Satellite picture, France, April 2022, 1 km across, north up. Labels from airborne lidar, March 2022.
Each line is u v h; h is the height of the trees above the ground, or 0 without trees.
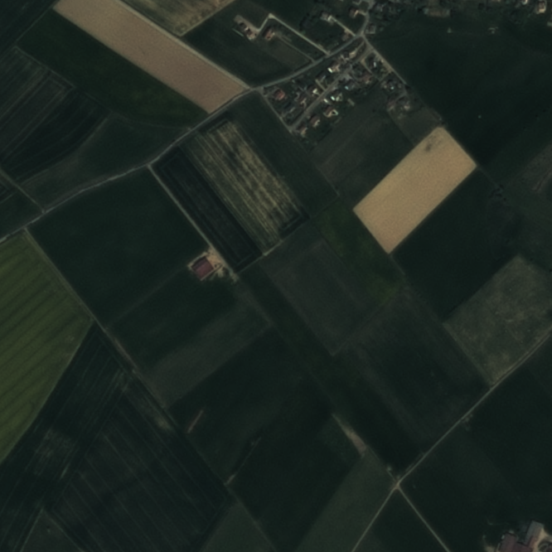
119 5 0
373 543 0
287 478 0
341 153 0
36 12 0
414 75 0
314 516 0
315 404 0
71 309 0
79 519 0
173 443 0
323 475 0
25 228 0
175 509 0
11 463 0
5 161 0
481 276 0
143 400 0
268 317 0
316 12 0
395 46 0
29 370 0
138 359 0
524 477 0
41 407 0
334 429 0
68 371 0
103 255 0
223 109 0
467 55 0
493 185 0
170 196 0
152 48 0
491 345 0
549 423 0
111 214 0
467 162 0
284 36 0
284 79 0
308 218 0
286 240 0
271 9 0
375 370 0
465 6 0
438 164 0
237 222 0
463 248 0
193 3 0
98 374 0
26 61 0
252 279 0
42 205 0
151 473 0
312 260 0
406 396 0
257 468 0
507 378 0
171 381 0
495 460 0
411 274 0
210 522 0
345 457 0
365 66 0
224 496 0
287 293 0
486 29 0
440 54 0
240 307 0
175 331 0
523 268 0
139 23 0
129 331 0
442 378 0
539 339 0
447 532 0
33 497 0
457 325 0
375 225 0
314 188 0
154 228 0
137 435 0
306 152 0
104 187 0
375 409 0
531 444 0
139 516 0
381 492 0
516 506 0
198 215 0
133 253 0
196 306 0
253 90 0
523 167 0
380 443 0
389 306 0
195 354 0
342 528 0
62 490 0
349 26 0
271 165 0
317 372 0
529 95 0
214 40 0
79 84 0
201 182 0
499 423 0
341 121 0
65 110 0
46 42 0
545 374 0
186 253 0
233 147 0
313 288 0
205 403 0
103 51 0
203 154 0
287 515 0
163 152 0
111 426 0
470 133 0
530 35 0
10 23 0
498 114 0
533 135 0
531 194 0
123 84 0
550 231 0
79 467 0
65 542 0
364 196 0
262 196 0
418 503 0
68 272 0
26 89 0
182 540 0
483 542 0
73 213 0
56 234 0
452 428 0
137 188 0
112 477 0
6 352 0
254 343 0
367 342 0
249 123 0
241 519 0
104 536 0
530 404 0
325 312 0
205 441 0
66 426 0
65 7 0
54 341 0
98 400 0
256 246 0
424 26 0
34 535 0
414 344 0
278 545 0
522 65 0
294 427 0
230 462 0
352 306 0
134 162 0
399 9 7
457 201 0
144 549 0
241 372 0
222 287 0
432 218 0
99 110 0
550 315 0
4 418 0
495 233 0
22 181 0
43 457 0
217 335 0
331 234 0
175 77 0
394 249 0
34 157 0
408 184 0
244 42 0
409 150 0
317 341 0
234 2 0
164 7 0
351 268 0
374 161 0
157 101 0
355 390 0
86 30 0
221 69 0
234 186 0
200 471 0
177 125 0
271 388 0
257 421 0
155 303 0
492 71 0
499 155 0
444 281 0
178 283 0
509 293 0
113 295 0
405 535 0
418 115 0
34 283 0
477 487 0
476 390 0
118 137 0
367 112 0
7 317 0
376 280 0
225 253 0
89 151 0
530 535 0
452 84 0
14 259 0
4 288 0
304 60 0
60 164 0
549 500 0
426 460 0
